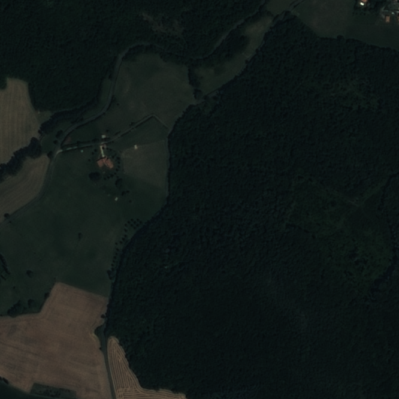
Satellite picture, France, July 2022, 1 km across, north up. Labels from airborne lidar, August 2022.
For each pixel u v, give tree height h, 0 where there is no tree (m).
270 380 17
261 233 19
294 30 13
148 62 0
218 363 21
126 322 16
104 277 0
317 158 21
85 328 0
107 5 14
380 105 21
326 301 18
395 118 18
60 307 0
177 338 15
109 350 0
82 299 0
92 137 0
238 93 20
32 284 0
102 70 16
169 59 23
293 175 17
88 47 18
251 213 24
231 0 18
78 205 0
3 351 0
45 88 14
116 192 0
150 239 24
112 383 0
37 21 16
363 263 15
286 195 21
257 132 15
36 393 0
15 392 0
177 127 15
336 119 20
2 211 0
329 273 21
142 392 0
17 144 0
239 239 26
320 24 0
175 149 16
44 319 0
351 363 14
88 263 0
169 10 18
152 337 14
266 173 13
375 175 22
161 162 0
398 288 25
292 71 18
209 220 25
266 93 18
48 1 11
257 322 18
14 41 16
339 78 13
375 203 6
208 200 21
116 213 0
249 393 26
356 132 18
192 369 16
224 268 21
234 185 20
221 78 0
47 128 32
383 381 14
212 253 22
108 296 0
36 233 0
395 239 25
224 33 8
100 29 15
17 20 17
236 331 18
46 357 0
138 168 0
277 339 21
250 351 24
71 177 0
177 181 11
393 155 17
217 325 19
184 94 0
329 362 18
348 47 17
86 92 15
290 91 12
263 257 22
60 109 14
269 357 19
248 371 24
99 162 0
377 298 24
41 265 0
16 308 18
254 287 8
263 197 19
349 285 20
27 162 0
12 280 0
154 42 17
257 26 0
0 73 17
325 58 14
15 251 0
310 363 16
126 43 17
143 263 19
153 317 17
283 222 22
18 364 0
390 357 16
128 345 10
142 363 20
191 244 21
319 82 17
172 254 22
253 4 20
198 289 15
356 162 22
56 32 17
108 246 0
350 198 23
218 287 16
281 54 19
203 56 13
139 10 18
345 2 0
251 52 0
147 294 12
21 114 0
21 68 16
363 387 8
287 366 18
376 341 16
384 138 19
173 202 18
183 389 16
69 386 0
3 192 0
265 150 16
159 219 19
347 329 14
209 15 15
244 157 17
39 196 0
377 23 0
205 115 18
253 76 10
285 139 18
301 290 15
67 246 0
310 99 13
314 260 23
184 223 19
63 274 0
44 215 0
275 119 19
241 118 19
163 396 0
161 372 17
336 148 20
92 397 0
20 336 0
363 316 20
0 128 0
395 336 20
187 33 21
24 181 0
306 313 12
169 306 19
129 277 14
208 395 27
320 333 15
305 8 0
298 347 19
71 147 8
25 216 0
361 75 20
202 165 15
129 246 14
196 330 13
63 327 0
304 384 13
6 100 0
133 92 0
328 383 7
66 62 14
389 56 18
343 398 11
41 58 16
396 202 17
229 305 16
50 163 0
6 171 29
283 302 9
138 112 0
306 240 21
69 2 14
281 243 21
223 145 19
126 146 0
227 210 17
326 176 24
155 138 0
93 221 0
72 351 0
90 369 0
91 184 0
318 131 20
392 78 18
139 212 0
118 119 0
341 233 13
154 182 0
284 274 13
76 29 13
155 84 0
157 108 0
